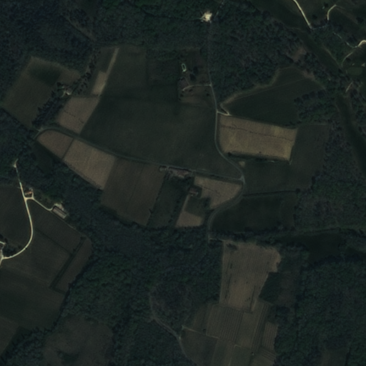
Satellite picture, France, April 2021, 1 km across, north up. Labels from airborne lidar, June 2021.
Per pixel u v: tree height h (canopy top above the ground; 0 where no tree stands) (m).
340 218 20
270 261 0
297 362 24
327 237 0
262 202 0
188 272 28
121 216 0
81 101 0
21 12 23
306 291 21
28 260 0
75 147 0
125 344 23
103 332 0
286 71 0
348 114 0
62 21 21
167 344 11
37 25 15
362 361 21
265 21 25
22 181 15
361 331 20
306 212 21
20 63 15
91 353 0
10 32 13
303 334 23
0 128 28
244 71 23
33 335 11
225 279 0
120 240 22
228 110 0
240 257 0
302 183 0
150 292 20
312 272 22
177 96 0
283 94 0
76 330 0
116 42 15
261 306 0
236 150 0
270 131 0
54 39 15
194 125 0
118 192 0
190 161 0
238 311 0
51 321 0
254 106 0
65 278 0
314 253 0
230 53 18
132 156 0
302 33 0
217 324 0
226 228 0
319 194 22
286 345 24
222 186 0
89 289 21
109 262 22
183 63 0
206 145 0
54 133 0
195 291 24
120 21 18
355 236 23
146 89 0
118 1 25
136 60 0
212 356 0
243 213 0
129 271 26
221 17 16
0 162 21
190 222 0
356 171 16
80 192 19
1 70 7
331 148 13
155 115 0
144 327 14
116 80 0
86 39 15
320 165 0
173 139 0
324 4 0
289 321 24
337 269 25
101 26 16
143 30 15
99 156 0
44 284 0
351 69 0
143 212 0
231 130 0
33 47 12
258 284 0
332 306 21
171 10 19
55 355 0
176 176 0
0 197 0
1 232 0
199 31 19
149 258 19
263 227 0
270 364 0
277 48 23
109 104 0
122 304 26
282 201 8
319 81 21
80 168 0
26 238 0
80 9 12
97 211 18
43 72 0
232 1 16
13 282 0
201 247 19
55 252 0
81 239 8
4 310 0
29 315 0
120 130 0
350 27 0
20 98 0
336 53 24
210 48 20
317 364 10
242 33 16
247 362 0
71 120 0
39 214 0
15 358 19
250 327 0
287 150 0
